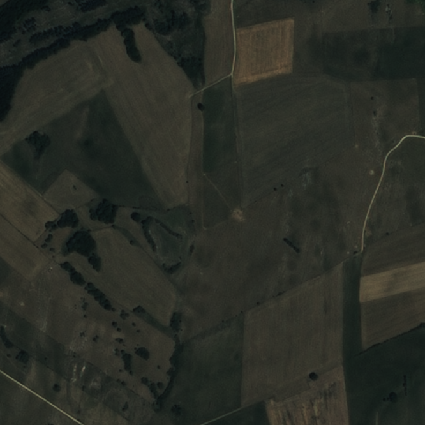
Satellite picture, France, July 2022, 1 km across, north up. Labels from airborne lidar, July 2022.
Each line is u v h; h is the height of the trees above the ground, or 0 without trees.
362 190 0
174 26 11
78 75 0
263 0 0
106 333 0
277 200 0
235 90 0
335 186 0
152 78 0
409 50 0
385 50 0
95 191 0
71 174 0
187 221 0
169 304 0
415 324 0
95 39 0
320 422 0
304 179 0
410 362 0
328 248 0
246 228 0
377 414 0
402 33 0
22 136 0
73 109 0
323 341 0
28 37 0
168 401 0
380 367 0
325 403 0
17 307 0
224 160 0
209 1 0
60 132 0
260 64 0
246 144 0
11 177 0
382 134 0
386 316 0
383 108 0
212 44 0
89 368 0
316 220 0
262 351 0
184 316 0
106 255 0
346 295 0
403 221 0
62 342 0
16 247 0
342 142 0
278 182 0
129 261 0
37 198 0
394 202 0
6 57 0
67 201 0
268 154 0
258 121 0
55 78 0
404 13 0
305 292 0
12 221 0
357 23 0
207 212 0
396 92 0
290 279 0
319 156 0
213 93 0
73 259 0
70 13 0
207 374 0
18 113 0
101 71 0
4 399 0
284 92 0
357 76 0
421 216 0
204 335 0
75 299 0
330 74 0
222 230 0
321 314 0
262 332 0
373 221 0
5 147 0
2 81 16
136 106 0
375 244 0
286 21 0
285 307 0
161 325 0
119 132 0
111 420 0
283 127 0
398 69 0
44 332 0
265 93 0
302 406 0
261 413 0
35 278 0
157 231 0
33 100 0
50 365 0
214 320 0
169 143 0
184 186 0
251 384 0
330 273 0
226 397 0
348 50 0
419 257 0
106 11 0
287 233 0
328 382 0
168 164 0
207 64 0
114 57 0
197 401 0
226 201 0
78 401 0
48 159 0
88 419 0
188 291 0
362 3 0
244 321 0
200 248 0
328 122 0
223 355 0
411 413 0
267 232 0
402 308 0
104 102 0
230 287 0
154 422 0
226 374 0
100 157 0
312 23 0
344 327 0
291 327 0
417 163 0
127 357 9
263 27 0
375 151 0
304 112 0
